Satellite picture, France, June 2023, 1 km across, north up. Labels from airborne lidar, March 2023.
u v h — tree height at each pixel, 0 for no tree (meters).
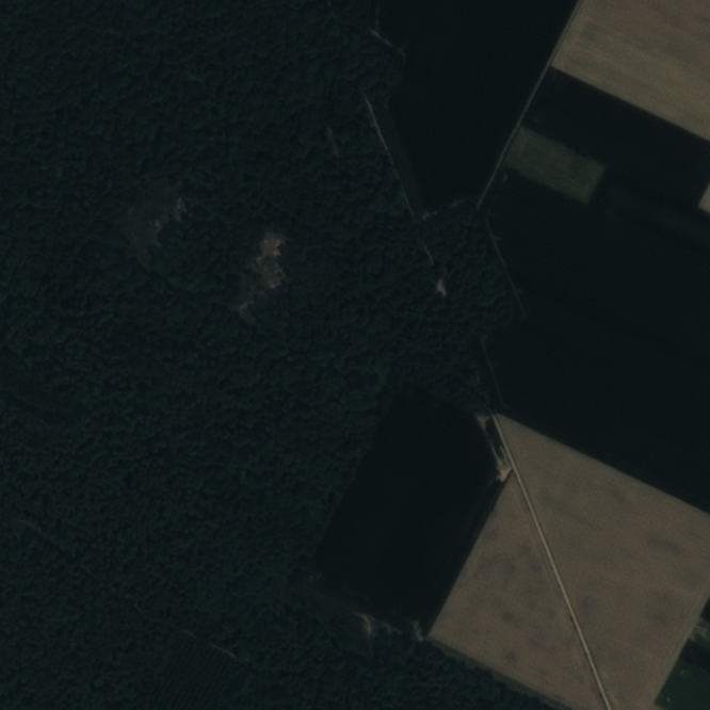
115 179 28
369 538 0
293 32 29
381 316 31
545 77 0
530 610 0
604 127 0
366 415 25
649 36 0
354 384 30
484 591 0
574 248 0
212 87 27
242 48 31
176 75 27
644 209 0
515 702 22
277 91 26
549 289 0
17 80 27
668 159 0
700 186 0
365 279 24
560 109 0
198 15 21
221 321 32
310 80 36
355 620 0
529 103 0
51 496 23
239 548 28
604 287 0
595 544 0
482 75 0
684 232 0
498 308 16
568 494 0
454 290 22
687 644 0
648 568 0
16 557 23
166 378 26
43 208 32
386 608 0
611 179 0
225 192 29
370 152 29
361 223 16
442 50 0
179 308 27
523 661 0
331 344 31
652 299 0
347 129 27
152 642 21
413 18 0
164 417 25
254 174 29
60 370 24
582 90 0
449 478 0
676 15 0
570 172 0
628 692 0
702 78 0
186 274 29
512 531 0
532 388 0
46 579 21
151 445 16
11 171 30
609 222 0
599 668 0
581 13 0
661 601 0
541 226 0
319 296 27
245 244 31
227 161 31
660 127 0
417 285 20
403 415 0
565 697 0
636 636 0
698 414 0
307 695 16
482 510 0
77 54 30
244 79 28
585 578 0
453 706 23
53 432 23
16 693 21
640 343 0
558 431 0
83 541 17
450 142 0
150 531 20
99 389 21
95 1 28
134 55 22
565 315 0
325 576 0
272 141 17
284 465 21
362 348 21
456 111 0
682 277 0
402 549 0
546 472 0
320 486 26
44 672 21
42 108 28
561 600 0
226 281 29
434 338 21
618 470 0
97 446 25
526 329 0
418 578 0
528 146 0
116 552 21
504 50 0
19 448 20
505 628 0
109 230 29
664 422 0
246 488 26
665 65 0
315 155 30
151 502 24
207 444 27
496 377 0
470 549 0
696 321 0
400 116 0
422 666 24
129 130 20
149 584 23
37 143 23
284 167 21
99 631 21
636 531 0
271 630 26
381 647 22
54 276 14
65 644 24
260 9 31
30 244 31
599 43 0
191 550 25
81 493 21
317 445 24
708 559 0
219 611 20
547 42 0
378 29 0
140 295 28
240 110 27
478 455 0
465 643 0
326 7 26
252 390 27
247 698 18
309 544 25
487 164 0
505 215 0
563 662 0
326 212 16
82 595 23
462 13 0
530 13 0
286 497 26
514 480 0
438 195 0
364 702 23
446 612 0
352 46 27
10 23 24
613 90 0
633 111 0
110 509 22
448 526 0
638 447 0
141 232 0
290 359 27
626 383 0
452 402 0
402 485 0
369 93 21
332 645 19
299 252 31
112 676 21
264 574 27
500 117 0
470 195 0
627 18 0
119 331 9
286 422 25
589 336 0
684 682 0
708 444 0
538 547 0
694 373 0
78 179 22
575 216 0
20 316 28
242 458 25
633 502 0
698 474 0
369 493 0
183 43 11
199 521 24
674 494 0
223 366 27
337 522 0
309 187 19
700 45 0
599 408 0
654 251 0
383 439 0
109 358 20
